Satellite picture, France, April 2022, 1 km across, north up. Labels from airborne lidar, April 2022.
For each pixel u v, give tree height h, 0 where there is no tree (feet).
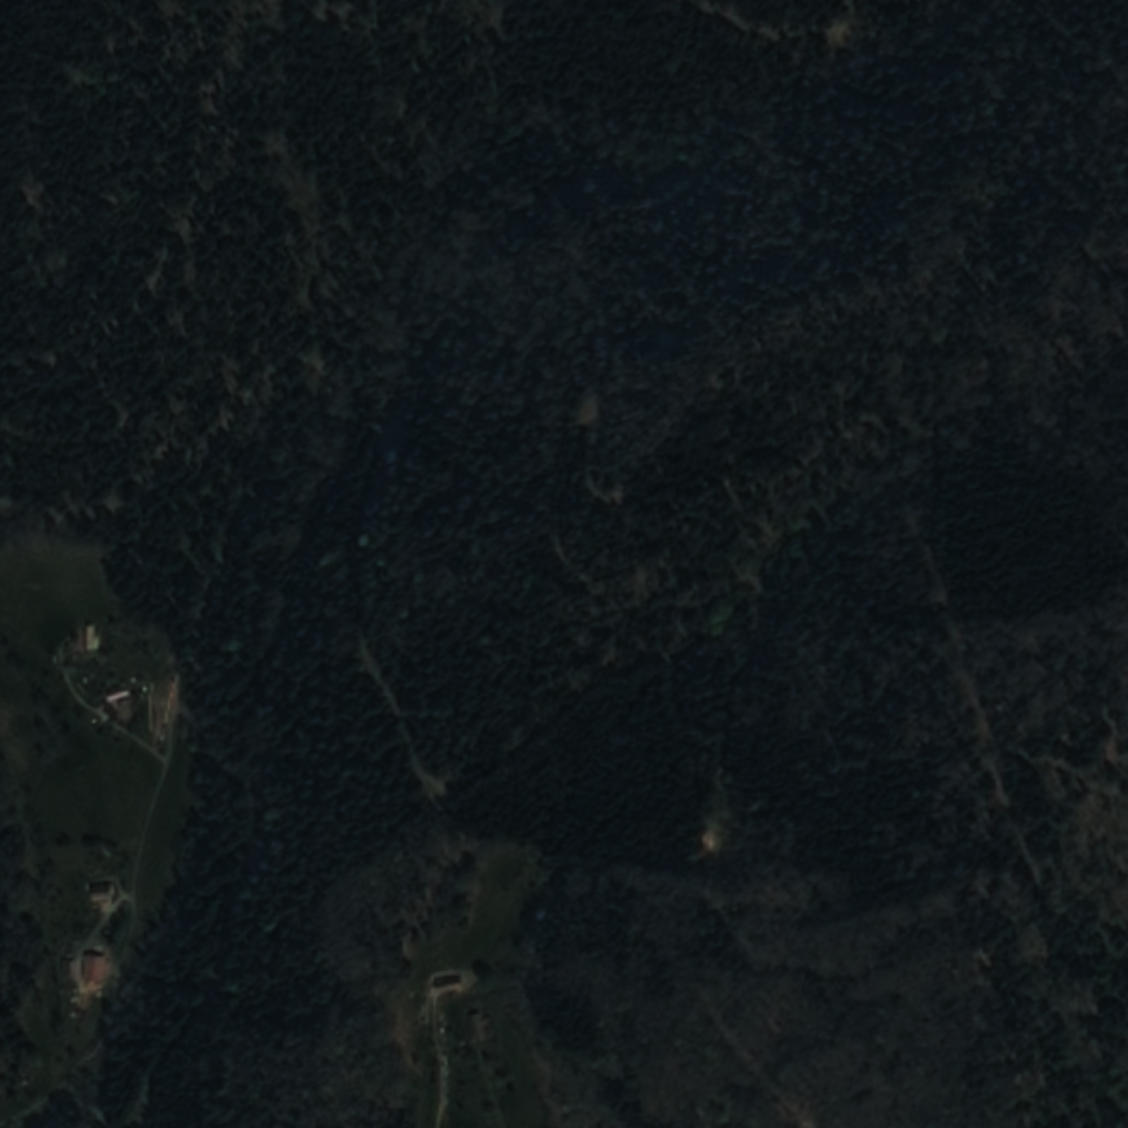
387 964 88
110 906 0
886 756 67
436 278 93
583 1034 84
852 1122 95
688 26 75
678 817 77
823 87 133
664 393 83
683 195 90
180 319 82
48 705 65
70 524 80
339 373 94
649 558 66
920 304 78
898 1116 95
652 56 50
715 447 85
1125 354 35
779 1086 79
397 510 93
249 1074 98
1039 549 52
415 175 111
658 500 64
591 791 68
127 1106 79
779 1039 82
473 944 0
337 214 107
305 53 69
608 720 78
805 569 93
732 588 64
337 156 91
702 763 70
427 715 42
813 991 74
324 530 69
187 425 27
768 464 144
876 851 65
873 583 43
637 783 70
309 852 114
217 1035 86
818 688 54
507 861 0
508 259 88
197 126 86
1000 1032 120
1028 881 92
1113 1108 61
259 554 59
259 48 34
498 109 115
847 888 52
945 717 94
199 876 92
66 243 73
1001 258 109
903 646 96
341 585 102
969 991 99
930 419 60
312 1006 79
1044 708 50
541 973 52
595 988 64
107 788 0
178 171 104
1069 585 59
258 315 104
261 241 30
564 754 72
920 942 99
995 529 74
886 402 79
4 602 0
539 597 88
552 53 51
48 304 78
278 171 63
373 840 108
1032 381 115
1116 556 60
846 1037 91
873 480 114
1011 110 18
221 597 62
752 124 107
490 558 82
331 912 107
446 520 90
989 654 97
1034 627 89
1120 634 81
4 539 77
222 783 97
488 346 105
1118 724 44
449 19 93
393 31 82
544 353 83
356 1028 102
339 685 96
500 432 41
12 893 98
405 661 38
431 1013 0
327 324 104
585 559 85
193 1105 54
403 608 96
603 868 82
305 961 104
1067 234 60
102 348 95
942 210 115
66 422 99
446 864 71
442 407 71
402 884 103
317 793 30
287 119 93
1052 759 37
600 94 53
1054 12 98
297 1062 83
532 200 50
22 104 64
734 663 58
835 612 108
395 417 20
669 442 56
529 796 73
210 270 117
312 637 63
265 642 112
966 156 75
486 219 83
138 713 19
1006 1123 103
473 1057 37
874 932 105
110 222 57
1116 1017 118
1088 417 90
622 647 46
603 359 79
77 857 0
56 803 0
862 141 110
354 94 94
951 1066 121
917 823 50
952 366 84
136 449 105
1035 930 49
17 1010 48
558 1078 21
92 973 0
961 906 85
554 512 43
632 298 66
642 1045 68
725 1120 83
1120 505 46
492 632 92
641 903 108
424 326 101
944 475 63
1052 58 77
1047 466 49
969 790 56
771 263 34
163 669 0
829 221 37
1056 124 64
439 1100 0
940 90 95
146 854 0
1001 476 55
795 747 63
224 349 52
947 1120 108
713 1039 86
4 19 29
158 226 33
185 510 127
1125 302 94
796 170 88
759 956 98
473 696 105
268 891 96
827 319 74
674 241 89
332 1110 90
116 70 83
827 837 62
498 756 54
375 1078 105
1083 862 101
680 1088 85
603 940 96
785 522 60
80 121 75
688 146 109
